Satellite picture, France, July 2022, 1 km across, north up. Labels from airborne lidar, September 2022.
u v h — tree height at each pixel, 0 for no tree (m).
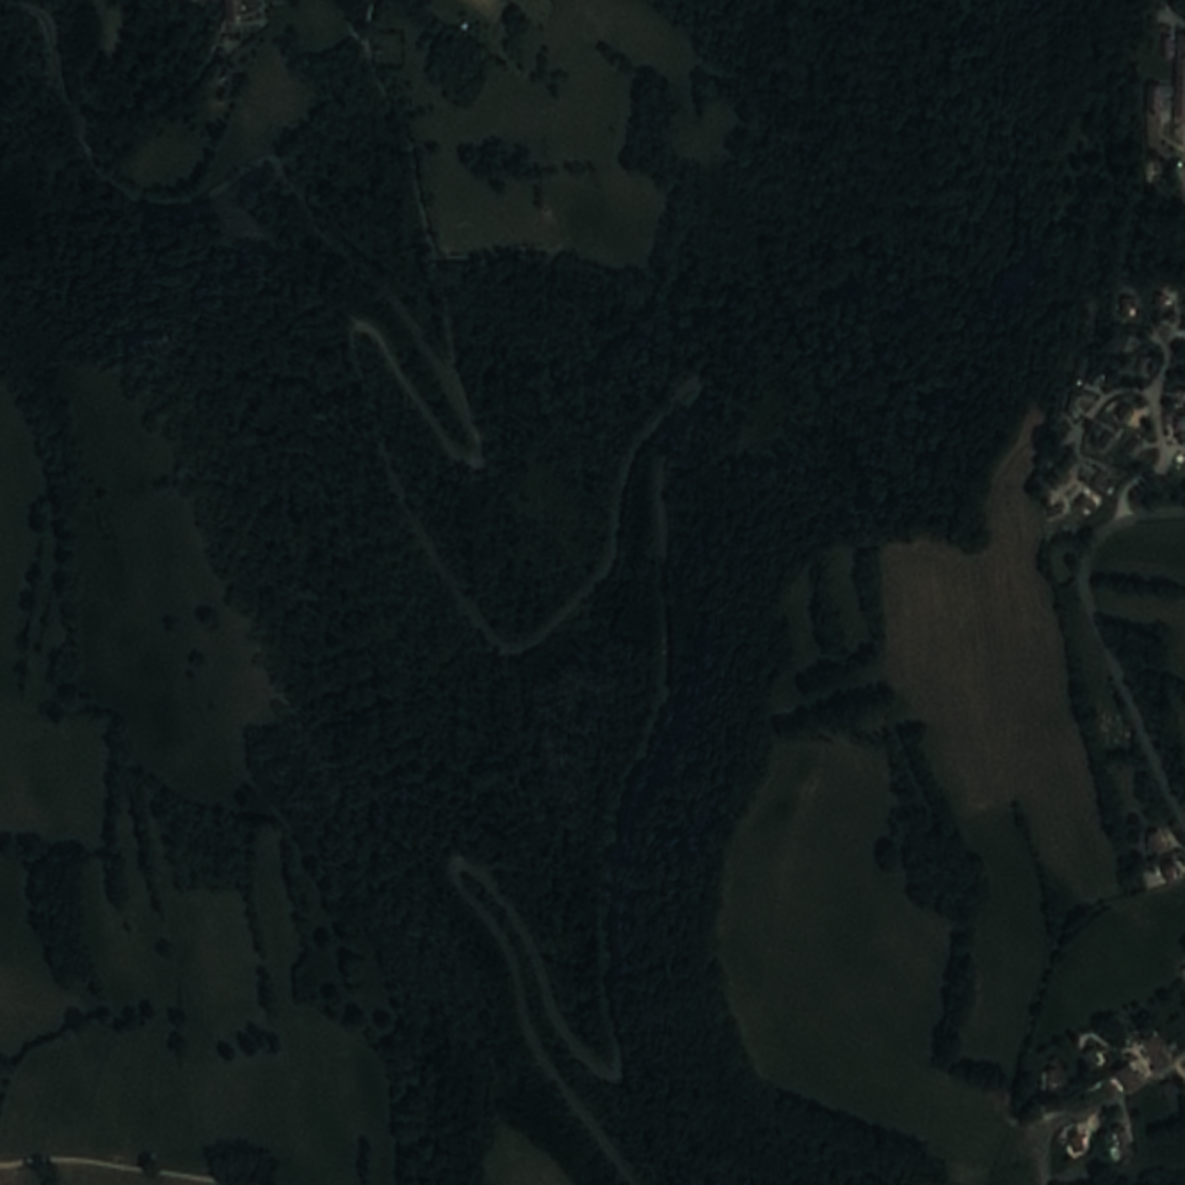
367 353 18
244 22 0
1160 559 0
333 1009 12
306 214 26
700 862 20
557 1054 12
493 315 10
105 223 26
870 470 34
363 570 20
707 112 6
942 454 36
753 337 25
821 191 22
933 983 0
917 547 0
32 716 0
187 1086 0
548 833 14
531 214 0
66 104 19
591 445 19
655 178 21
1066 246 24
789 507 30
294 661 27
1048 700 0
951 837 25
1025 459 0
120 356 14
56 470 16
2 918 0
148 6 26
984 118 11
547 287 7
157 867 13
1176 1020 7
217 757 0
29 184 20
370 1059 0
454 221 0
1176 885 0
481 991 25
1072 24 29
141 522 0
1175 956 0
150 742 0
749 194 9
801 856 0
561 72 7
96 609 0
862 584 17
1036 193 20
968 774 0
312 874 17
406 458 15
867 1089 0
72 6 14
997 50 26
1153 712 17
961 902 22
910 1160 24
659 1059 24
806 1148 27
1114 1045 14
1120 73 22
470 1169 20
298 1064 0
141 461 0
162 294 22
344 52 9
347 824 27
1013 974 0
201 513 6
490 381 18
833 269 25
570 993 15
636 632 13
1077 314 17
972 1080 17
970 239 17
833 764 0
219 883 9
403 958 17
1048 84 25
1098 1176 20
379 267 21
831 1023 0
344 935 19
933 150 21
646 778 15
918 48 20
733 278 7
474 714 6
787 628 19
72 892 21
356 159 10
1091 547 15
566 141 0
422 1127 18
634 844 29
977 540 22
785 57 26
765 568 24
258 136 0
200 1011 0
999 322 30
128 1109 0
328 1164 0
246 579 22
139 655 0
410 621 18
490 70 8
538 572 8
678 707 10
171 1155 0
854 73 16
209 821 7
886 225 30
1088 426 11
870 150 30
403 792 32
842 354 29
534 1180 0
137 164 0
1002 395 27
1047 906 9
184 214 12
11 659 0
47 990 0
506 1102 7
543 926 15
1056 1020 0
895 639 0
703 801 25
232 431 27
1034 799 0
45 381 18
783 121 25
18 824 0
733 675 27
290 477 30
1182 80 0
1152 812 16
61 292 35
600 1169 7
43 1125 0
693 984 23
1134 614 0
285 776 13
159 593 0
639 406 20
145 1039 0
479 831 31
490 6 0
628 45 0
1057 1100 14
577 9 0
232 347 23
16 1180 0
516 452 9
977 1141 0
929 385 22
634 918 25
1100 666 0
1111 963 0
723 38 17
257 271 31
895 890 0
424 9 18
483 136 0
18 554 0
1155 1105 0
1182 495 16
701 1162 22
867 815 0
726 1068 19
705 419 18
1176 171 12
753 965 0
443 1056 15
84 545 0
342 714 26
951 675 0
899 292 31
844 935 0
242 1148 18
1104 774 17
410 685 15
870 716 17
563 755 22
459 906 6
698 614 12
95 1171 0
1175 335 0
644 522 14
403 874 20
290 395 31
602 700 18
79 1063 0
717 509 24
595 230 0
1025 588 0
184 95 27
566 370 22
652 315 28
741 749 25
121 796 17
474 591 15
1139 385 14
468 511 18
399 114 11
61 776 0
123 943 0
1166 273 21
